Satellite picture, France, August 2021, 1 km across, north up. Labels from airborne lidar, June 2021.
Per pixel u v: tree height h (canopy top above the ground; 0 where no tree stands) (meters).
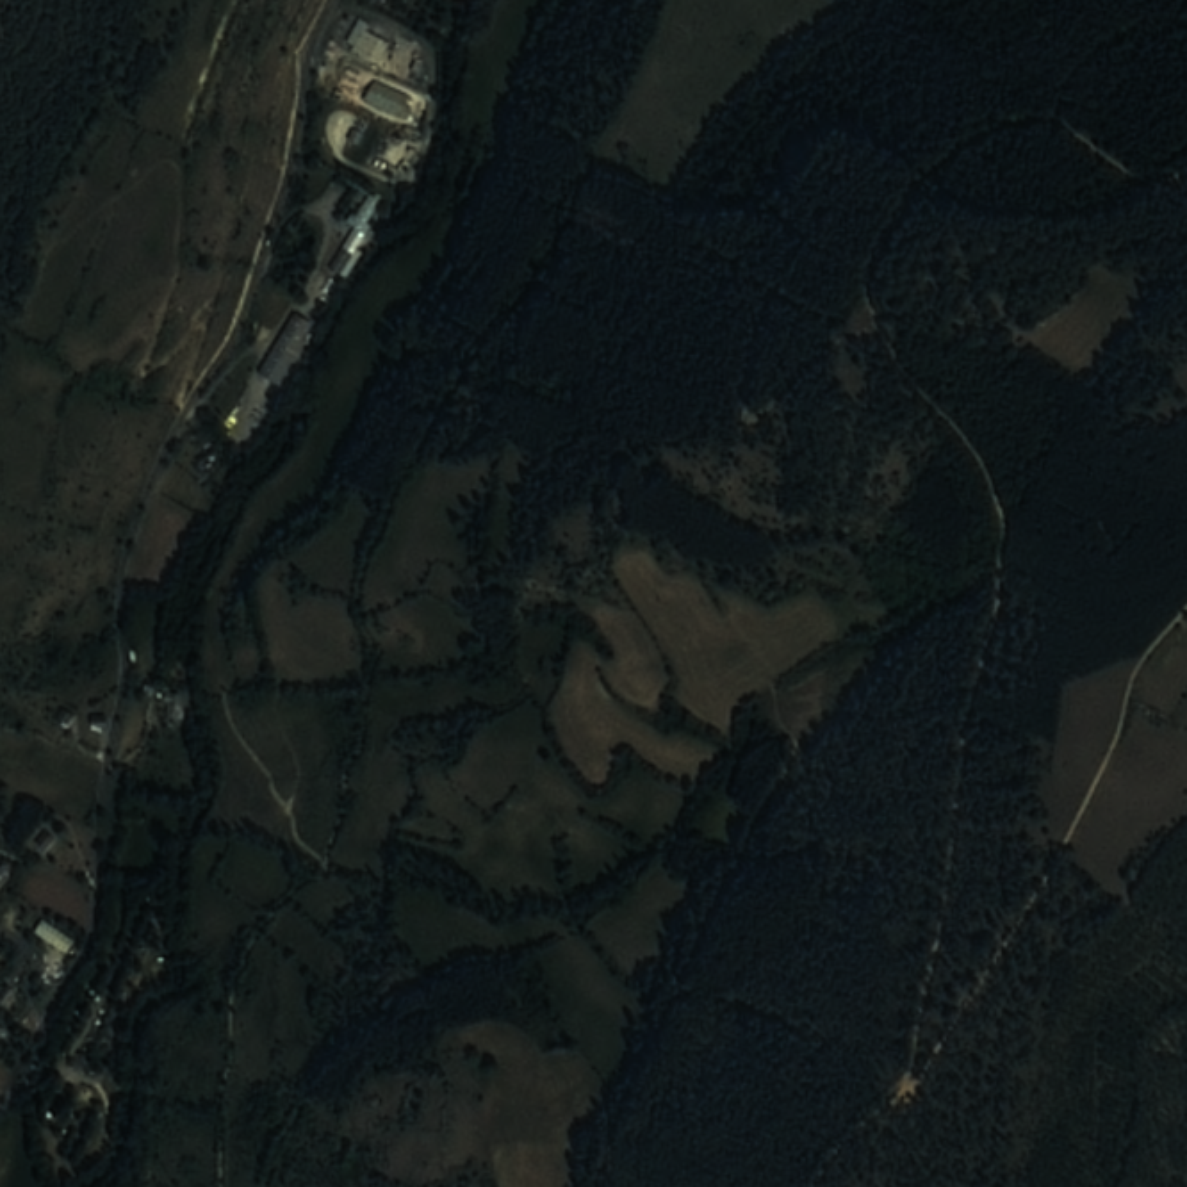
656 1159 17
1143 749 0
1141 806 0
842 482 15
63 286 0
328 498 11
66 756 0
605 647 8
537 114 18
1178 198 30
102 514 0
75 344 0
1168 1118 10
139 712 0
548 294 17
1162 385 12
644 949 0
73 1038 17
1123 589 9
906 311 12
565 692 0
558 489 14
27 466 0
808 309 17
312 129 10
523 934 0
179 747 0
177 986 12
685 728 7
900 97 17
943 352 14
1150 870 14
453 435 16
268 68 0
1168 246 19
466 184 9
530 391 16
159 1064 15
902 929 15
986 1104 16
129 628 20
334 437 0
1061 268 27
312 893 0
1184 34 13
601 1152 18
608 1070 0
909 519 10
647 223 22
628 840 8
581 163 14
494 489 6
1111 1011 10
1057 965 9
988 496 14
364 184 17
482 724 7
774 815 22
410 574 0
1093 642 9
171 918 16
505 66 0
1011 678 10
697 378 23
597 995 0
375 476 22
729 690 0
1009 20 21
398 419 19
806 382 21
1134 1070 13
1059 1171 7
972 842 9
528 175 21
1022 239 21
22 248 21
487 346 19
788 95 14
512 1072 0
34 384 0
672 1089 17
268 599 0
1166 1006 10
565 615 11
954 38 17
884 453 7
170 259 0
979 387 15
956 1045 15
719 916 20
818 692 0
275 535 13
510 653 8
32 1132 17
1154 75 20
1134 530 11
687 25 0
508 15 0
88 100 7
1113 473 11
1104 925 14
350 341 0
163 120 0
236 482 13
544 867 0
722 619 0
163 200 0
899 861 15
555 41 14
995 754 21
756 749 19
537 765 0
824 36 13
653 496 21
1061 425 10
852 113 7
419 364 18
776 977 11
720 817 0
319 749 0
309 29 0
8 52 13
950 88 16
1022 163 19
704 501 15
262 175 0
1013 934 14
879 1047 14
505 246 26
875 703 17
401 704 0
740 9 0
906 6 14
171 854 31
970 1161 18
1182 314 15
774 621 0
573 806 0
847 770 12
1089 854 0
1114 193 9
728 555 21
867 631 13
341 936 6
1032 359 12
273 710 0
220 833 21
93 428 0
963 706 21
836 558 7
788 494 11
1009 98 19
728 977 15
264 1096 9
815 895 21
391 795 0
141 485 0
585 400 28
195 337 0
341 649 0
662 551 9
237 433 0
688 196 10
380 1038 22
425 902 0
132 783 17
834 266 25
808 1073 16
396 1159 0
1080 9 21
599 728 0
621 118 0
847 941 14
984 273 18
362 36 0
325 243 0
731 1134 15
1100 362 12
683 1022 23
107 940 11
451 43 10
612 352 23
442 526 0
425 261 0
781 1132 17
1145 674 0
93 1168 17
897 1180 14
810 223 28
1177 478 9
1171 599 10
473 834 0
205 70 0
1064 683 8
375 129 0
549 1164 0
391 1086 0
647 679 0
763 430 6
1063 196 11
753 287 24
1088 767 0
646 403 22
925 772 17
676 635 0
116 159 0
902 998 17
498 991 18
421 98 0
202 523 16
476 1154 0
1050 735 9
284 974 0
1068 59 16
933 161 6
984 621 17
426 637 0
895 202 26
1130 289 0
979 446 14
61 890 0
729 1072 13
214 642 0
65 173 18
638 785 0
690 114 0
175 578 19
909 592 9
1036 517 10
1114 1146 7
